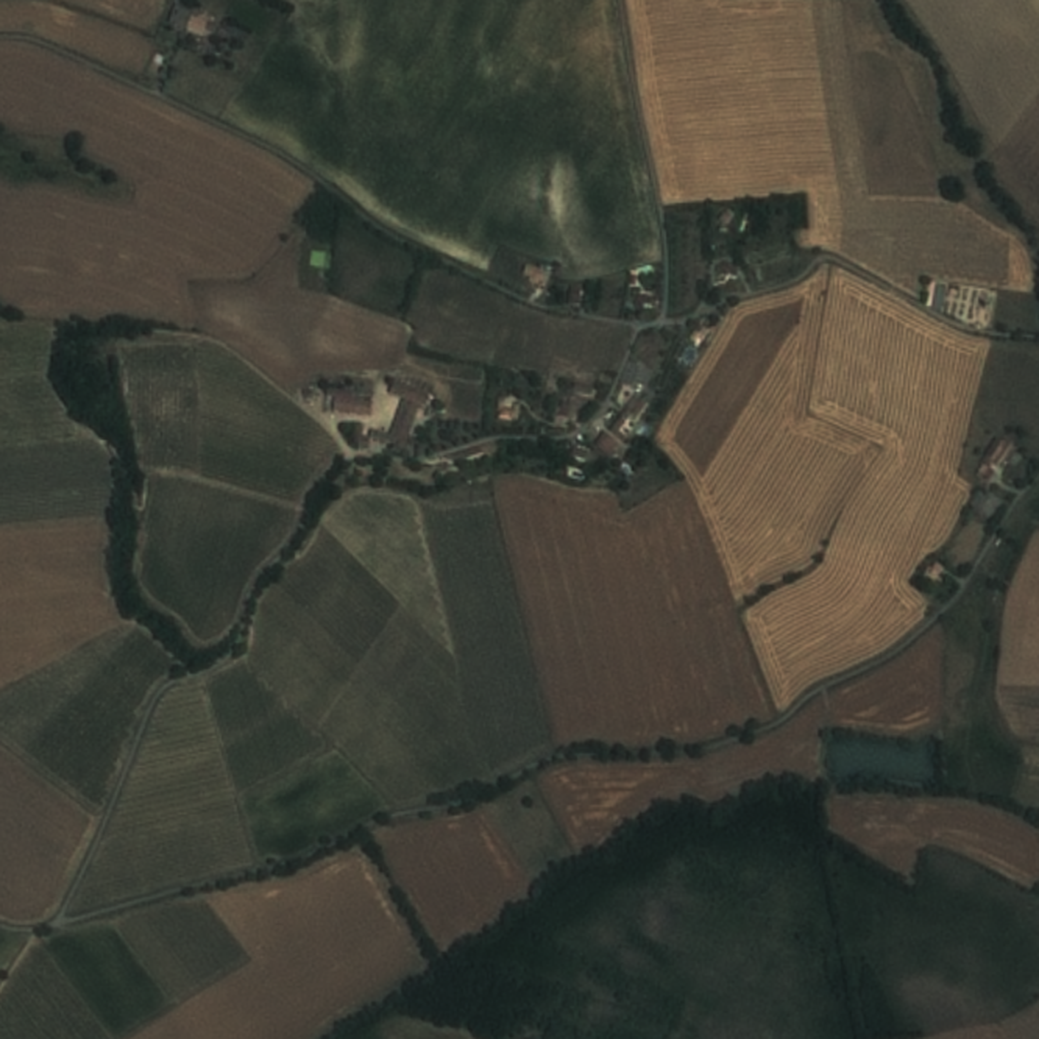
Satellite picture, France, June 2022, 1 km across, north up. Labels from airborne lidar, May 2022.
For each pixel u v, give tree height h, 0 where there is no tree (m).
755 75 0
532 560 0
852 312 0
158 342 0
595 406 9
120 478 10
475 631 0
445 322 0
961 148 17
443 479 7
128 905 0
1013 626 0
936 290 0
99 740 0
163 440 0
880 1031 9
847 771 0
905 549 0
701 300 9
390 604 0
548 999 6
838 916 12
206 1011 0
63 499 0
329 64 0
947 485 0
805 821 6
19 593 0
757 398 0
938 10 0
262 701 0
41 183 0
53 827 0
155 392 0
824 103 0
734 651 0
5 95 0
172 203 0
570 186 0
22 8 0
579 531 0
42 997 0
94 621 0
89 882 0
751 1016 0
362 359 0
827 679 0
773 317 0
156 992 0
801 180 0
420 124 0
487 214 0
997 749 0
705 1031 0
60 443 0
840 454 0
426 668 0
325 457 0
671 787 0
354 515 0
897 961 0
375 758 0
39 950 0
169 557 0
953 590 8
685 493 0
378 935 0
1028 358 0
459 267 10
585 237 0
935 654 0
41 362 0
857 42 0
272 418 0
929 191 0
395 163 0
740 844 6
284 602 0
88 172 14
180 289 0
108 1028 0
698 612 0
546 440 10
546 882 16
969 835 0
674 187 0
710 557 0
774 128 0
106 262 0
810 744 0
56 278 0
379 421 0
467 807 13
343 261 0
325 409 0
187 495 0
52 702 0
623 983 6
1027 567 0
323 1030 0
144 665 0
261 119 0
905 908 0
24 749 0
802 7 0
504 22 0
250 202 0
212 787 0
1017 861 0
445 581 0
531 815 0
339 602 0
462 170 0
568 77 0
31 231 0
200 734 0
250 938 0
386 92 0
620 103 0
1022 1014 0
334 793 0
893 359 0
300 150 0
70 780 0
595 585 0
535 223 0
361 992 0
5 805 0
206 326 0
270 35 0
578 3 0
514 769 0
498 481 0
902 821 0
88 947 0
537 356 0
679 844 6
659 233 0
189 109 0
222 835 0
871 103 0
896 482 0
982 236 0
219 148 0
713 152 0
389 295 0
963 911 0
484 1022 13
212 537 0
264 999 0
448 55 0
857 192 0
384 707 0
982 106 0
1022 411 0
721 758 0
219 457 0
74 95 0
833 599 0
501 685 0
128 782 0
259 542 0
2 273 0
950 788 11
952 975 0
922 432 0
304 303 0
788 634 0
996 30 0
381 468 11
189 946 0
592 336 0
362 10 0
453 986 20
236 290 0
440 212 0
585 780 0
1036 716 0
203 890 8
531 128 0
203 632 0
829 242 0
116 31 0
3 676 0
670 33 0
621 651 0
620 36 0
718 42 0
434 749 0
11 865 0
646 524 0
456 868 0
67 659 0
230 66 9
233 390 0
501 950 6
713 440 0
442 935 0
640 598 0
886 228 0
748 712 0
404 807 0
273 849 0
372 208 0
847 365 0
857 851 14
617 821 0
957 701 0
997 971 0
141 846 0
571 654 0
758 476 0
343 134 0
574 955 18
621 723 0
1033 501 0
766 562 0
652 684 0
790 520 0
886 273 0
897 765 0
